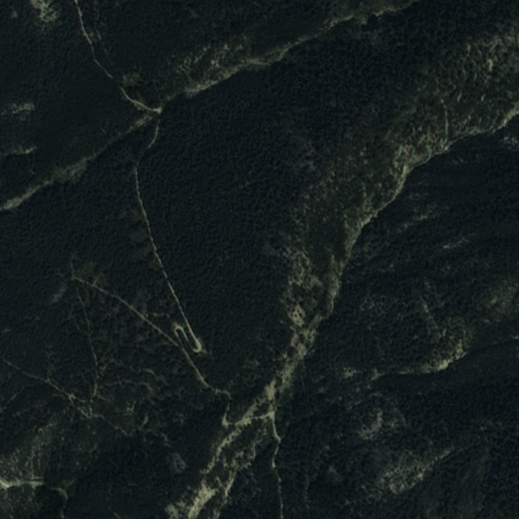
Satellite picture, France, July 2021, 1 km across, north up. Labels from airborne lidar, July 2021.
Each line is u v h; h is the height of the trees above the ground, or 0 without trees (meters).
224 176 9
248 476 16
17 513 7
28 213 10
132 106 10
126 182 11
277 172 10
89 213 10
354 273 12
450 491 16
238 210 13
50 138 14
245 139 9
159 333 11
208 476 11
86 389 6
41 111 7
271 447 11
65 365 7
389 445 6
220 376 11
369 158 15
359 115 10
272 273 12
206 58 6
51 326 8
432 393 11
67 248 9
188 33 9
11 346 8
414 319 7
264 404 11
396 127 6
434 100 9
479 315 12
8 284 8
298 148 7
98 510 7
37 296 6
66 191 12
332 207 7
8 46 11
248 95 10
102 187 13
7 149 8
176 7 14
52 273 9
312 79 7
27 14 7
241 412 7
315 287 7
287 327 9
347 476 12
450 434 6
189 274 11
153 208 11
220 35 10
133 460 15
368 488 7
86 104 13
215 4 7
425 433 11
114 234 11
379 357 9
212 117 9
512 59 6
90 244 7
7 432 10
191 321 8
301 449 10
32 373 6
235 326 9
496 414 15
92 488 9
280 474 12
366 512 7
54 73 9
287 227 6
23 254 9
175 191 11
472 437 9
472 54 9
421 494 12
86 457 14
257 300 10
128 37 11
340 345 7
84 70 8
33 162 13
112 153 14
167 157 10
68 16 9
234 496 17
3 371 7
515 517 6
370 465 13
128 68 13
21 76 10
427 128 8
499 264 5
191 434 10
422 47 25
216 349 6
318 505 10
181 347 7
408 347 15
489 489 9
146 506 13
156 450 7
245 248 9
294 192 9
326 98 7
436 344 9
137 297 7
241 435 8
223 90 7
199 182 10
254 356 11
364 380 7
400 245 6
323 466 13
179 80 8
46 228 9
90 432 9
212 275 9
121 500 11
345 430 13
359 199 8
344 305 8
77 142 10
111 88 15
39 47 10
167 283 9
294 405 11
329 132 10
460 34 10
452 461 14
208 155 12
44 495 7
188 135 14
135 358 8
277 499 9
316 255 7
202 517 12
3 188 15
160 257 9
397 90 13
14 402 7
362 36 8
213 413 10
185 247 8
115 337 11
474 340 6
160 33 13
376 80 19
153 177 12
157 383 10
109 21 8
